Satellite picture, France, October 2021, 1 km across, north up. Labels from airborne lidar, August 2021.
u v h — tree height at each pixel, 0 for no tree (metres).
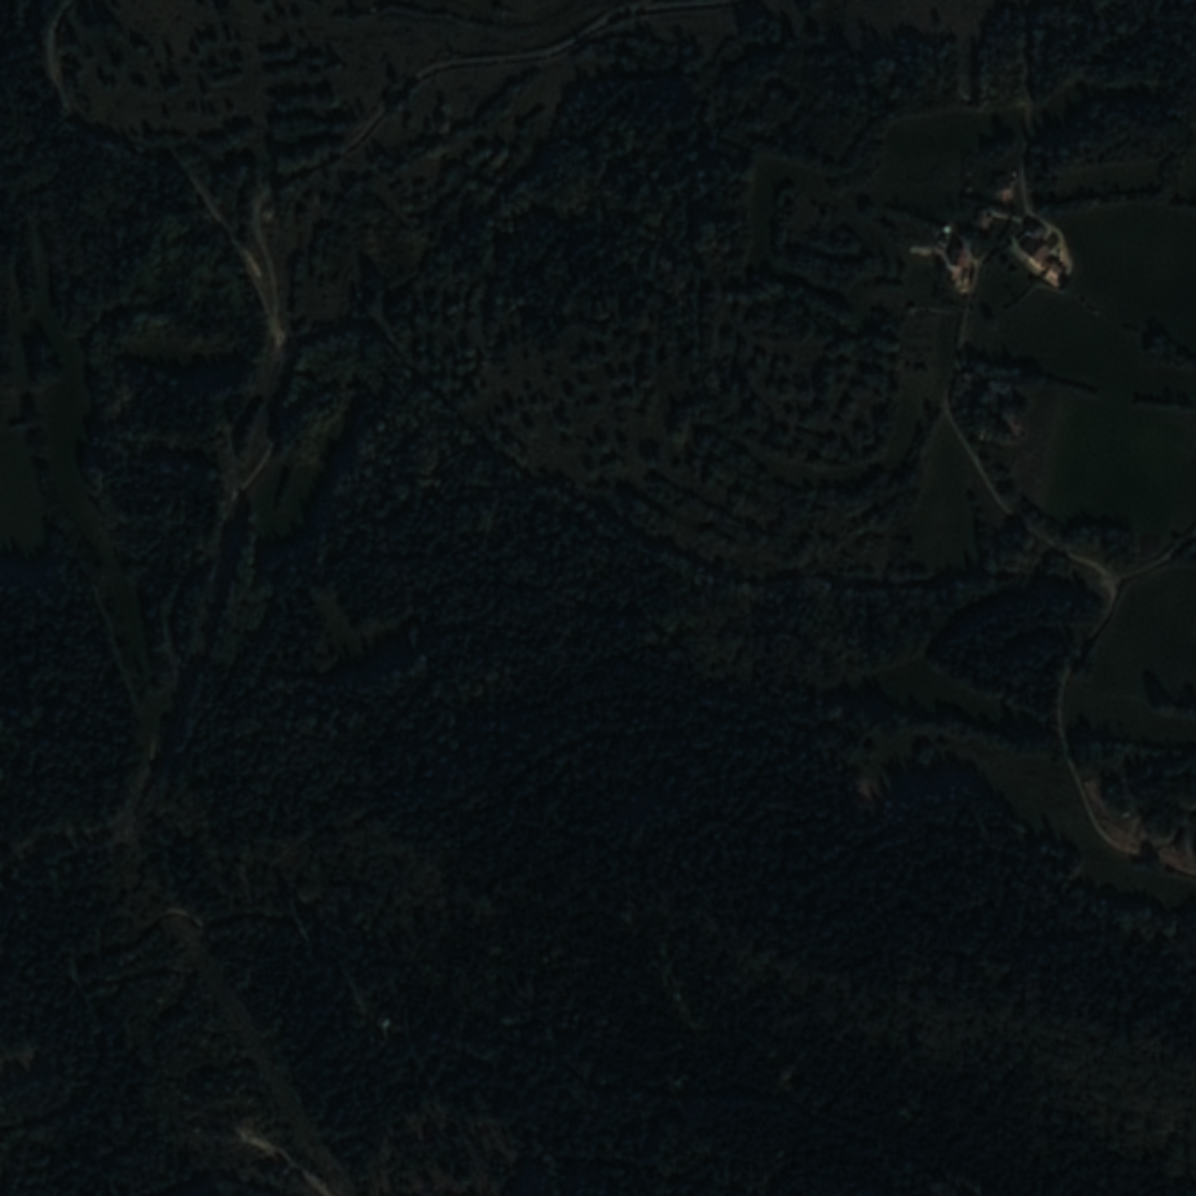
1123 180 0
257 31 0
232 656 13
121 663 7
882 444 11
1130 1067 13
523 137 6
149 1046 9
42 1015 18
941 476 0
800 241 0
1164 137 15
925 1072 17
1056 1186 23
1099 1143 20
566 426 12
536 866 16
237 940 13
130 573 20
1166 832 11
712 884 27
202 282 14
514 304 12
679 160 17
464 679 23
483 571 16
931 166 0
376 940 7
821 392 16
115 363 10
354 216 9
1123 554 13
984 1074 7
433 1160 6
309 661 9
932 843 29
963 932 8
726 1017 18
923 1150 25
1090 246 0
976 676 17
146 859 11
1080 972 19
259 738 20
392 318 10
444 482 25
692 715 26
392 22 0
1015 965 18
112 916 16
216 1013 10
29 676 21
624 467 6
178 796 8
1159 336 10
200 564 14
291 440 18
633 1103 26
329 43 0
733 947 16
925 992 16
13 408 0
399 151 0
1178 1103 21
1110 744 13
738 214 8
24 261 22
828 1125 13
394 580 23
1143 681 0
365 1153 22
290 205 8
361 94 0
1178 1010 18
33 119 25
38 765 22
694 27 0
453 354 6
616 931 15
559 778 8
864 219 8
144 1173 19
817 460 9
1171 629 0
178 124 0
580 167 15
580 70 0
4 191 14
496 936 11
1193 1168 21
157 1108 9
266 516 0
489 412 0
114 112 0
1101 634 0
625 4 0
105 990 17
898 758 0
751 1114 29
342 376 9
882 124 7
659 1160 18
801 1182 13
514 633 23
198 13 0
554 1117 25
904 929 18
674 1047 18
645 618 15
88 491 15
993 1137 22
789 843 15
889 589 9
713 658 16
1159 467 0
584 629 20
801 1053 24
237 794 20
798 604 16
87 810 17
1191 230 0
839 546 9
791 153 15
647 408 6
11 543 0
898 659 11
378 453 20
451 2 0
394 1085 12
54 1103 23
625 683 26
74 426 0
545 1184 34
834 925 30
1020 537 14
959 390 8
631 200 17
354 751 21
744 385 17
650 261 17
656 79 6
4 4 17
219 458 0
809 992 15
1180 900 0
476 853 16
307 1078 19
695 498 7
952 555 0
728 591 17
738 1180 15
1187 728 0
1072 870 15
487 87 0
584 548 19
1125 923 18
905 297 0
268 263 0
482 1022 12
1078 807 0
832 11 0
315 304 0
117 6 6
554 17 0
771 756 17
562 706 19
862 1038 17
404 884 17
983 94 13
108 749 23
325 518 14
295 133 14
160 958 16
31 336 0
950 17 0
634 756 22
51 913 27
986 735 11
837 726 20
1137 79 10
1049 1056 13
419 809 9
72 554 15
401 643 0
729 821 10
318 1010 32
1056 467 0
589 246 22
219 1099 12
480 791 24
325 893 32
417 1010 13
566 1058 24
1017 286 0
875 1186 9
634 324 9
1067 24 14
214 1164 10
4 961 6
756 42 9
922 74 17
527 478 6
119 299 17
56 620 23
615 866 22
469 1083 26
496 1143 14
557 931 14
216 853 14
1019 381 11
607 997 18
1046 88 13
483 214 11
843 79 9
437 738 27
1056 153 17
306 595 12
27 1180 26
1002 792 0
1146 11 15
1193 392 0
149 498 15
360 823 13
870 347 11
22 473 0
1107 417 0
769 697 16
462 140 8
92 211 12
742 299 14
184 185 20
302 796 23
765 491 13
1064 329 0
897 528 7
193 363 0
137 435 14
